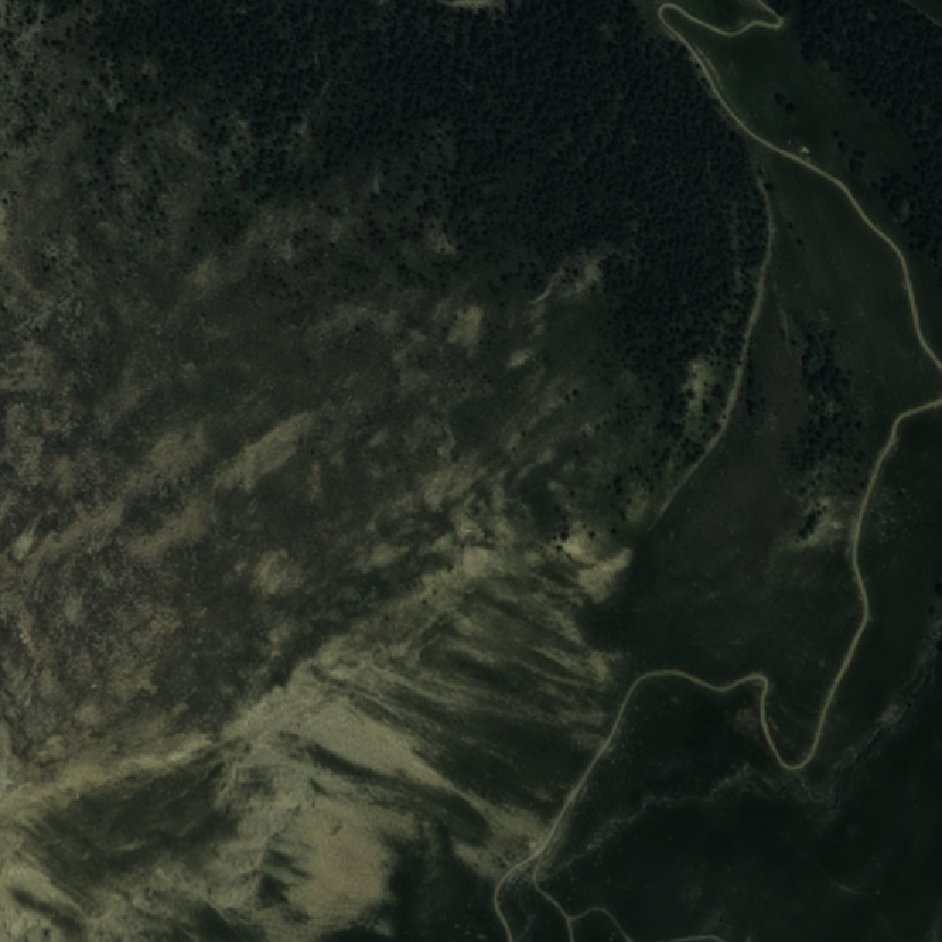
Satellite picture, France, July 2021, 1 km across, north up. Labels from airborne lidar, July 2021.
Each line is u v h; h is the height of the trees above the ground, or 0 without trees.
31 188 0
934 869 0
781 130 0
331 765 0
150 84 8
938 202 12
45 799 0
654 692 0
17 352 0
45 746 0
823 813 0
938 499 0
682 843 0
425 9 6
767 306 0
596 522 0
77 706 0
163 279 0
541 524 0
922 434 0
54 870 0
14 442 0
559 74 9
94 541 0
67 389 0
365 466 0
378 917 0
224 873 0
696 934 0
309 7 14
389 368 0
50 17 8
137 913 0
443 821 0
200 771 0
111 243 0
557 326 0
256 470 0
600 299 0
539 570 0
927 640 0
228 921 0
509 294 0
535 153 10
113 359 0
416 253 0
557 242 7
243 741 0
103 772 0
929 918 0
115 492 0
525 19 15
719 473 0
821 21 15
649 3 0
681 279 11
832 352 10
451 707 0
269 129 8
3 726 0
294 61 8
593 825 0
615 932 0
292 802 0
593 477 0
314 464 0
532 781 0
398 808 0
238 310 0
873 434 0
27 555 0
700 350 9
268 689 0
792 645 0
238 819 0
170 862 0
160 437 0
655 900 0
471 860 0
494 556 0
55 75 0
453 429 0
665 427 11
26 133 6
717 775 0
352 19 11
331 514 0
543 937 0
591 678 0
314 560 0
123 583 0
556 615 0
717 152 13
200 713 0
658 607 0
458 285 0
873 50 19
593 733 0
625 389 0
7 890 0
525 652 0
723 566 0
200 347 0
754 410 8
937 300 0
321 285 0
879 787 0
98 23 8
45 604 0
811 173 0
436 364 0
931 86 19
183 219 0
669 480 0
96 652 0
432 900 0
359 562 0
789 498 0
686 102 10
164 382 0
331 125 8
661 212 11
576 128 10
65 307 0
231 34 7
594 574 0
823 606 0
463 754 0
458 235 7
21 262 0
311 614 0
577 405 0
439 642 0
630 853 0
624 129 13
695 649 0
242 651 0
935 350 0
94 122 0
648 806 0
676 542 0
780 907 0
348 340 0
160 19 14
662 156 9
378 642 0
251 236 0
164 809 0
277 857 0
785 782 0
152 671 0
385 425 0
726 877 0
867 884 0
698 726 0
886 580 0
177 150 0
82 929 0
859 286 0
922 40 18
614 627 0
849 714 0
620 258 7
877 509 0
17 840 0
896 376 0
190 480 0
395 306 0
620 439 0
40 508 0
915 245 9
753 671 0
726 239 10
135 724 0
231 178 0
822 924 0
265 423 0
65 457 0
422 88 9
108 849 0
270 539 0
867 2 15
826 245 0
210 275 0
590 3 12
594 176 10
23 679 0
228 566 0
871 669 0
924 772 0
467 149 9
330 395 0
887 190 14
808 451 9
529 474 0
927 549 0
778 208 0
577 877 0
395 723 0
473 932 0
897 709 0
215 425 0
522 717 0
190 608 0
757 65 0
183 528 0
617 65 12
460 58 12
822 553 0
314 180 8
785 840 0
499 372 0
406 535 0
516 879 0
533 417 0
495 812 0
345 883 0
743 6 0
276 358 0
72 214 0
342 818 0
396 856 0
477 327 0
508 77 9
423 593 0
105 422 0
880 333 0
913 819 0
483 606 0
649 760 0
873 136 0
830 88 0
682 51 9
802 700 0
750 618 0
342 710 0
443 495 0
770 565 0
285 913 0
